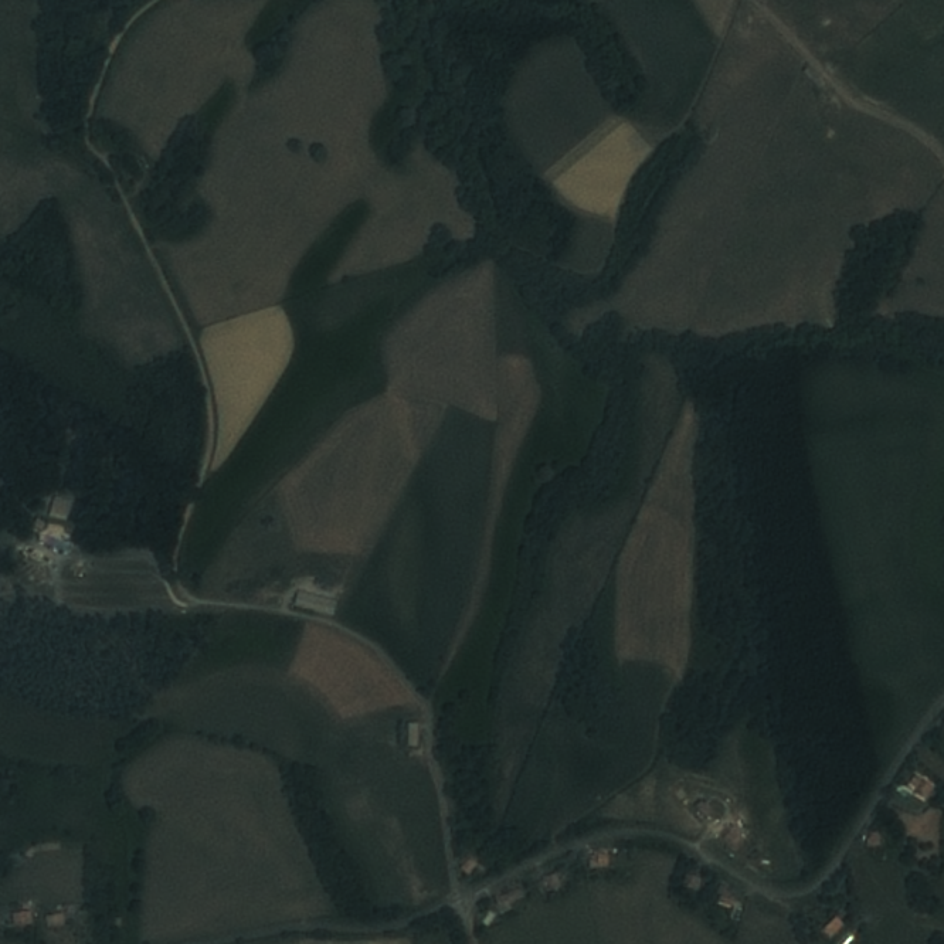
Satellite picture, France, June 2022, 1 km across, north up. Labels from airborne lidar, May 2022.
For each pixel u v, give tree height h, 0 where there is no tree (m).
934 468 0
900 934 0
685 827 0
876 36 0
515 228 7
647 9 0
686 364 12
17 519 18
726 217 0
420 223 0
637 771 0
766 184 0
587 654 12
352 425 0
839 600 13
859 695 14
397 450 0
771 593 23
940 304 0
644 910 0
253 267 0
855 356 10
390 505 0
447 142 16
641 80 10
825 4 0
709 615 12
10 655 24
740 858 0
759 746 0
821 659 14
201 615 6
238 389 0
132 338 0
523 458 0
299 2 0
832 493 0
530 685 0
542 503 14
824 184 0
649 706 0
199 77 0
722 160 0
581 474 16
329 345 0
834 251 0
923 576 0
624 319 6
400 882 0
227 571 0
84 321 0
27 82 0
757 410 23
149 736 19
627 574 0
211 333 0
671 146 11
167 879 0
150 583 0
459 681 0
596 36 28
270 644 0
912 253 7
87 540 29
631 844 10
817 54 0
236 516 0
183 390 6
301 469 0
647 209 7
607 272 7
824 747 13
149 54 0
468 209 16
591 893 0
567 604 0
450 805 0
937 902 18
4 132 0
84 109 10
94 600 0
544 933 0
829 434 0
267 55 23
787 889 0
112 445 37
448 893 0
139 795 0
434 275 7
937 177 0
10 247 11
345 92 0
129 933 0
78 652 19
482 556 0
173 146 10
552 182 0
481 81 8
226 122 0
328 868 16
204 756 0
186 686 0
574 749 0
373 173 0
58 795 0
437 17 11
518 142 0
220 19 0
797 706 20
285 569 0
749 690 23
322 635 0
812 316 0
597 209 0
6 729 0
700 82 0
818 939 7
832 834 9
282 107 0
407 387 0
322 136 0
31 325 0
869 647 0
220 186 0
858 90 0
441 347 0
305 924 0
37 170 0
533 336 0
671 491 0
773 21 0
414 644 0
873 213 0
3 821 0
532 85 0
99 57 10
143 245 0
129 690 17
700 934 0
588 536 0
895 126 0
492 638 0
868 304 12
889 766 0
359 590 0
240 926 0
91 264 0
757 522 16
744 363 25
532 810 0
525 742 0
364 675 0
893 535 0
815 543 17
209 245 0
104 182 11
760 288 0
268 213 0
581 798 0
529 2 18
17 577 0
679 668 0
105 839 0
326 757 0
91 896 10
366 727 0
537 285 8
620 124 0
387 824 0
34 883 0
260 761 0
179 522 17
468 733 0
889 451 0
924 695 0
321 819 15
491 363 0
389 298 0
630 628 0
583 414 0
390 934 6
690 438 0
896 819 12
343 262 0
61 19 24
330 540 0
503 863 12
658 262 0
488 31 11
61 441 24
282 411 0
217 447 0
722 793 0
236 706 0
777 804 0
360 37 0
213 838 0
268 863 0
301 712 0
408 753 0
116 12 14
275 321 0
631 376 10
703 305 0
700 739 16
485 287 0
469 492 0
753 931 0
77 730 0
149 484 34
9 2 0
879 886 0
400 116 13
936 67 0
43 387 8
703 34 0
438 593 0
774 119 0
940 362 8
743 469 25
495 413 0
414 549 0
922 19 0
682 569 0
